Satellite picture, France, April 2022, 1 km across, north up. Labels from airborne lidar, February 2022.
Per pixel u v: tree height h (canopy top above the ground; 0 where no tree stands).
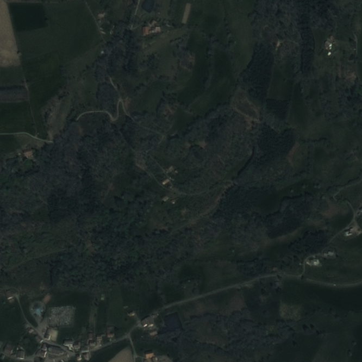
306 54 28
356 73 0
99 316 0
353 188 0
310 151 16
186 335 10
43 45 0
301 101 0
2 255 33
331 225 8
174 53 0
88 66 0
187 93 0
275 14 27
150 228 0
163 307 0
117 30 19
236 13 0
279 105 8
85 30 0
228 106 14
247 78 22
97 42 0
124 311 0
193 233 28
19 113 0
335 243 0
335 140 0
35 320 0
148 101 0
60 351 0
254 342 17
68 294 0
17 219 32
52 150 20
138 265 21
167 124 17
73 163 36
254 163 16
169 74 0
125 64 26
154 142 22
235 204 22
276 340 23
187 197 9
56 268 17
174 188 7
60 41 0
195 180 19
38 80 0
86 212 21
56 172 33
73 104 11
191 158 13
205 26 0
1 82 0
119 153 18
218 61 0
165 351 0
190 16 0
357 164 0
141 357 0
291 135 23
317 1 32
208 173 16
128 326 0
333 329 0
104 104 27
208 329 0
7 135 0
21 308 0
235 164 18
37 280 0
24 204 30
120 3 0
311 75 20
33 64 0
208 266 0
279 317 0
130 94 0
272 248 0
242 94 0
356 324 0
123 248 12
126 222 21
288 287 0
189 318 0
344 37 0
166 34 0
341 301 0
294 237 0
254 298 0
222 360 0
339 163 0
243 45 0
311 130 0
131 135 25
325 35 0
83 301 0
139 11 0
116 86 0
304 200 24
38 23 0
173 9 14
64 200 25
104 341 0
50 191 30
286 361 0
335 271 0
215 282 0
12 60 0
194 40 0
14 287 0
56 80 0
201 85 0
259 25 26
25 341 12
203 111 0
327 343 0
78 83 0
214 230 27
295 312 0
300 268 10
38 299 0
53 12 0
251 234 29
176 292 0
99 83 21
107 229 26
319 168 0
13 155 0
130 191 10
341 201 14
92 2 0
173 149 16
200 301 0
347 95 28
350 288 0
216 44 20
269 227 19
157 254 22
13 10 0
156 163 21
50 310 0
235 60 16
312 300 0
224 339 0
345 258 0
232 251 7
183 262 16
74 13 0
